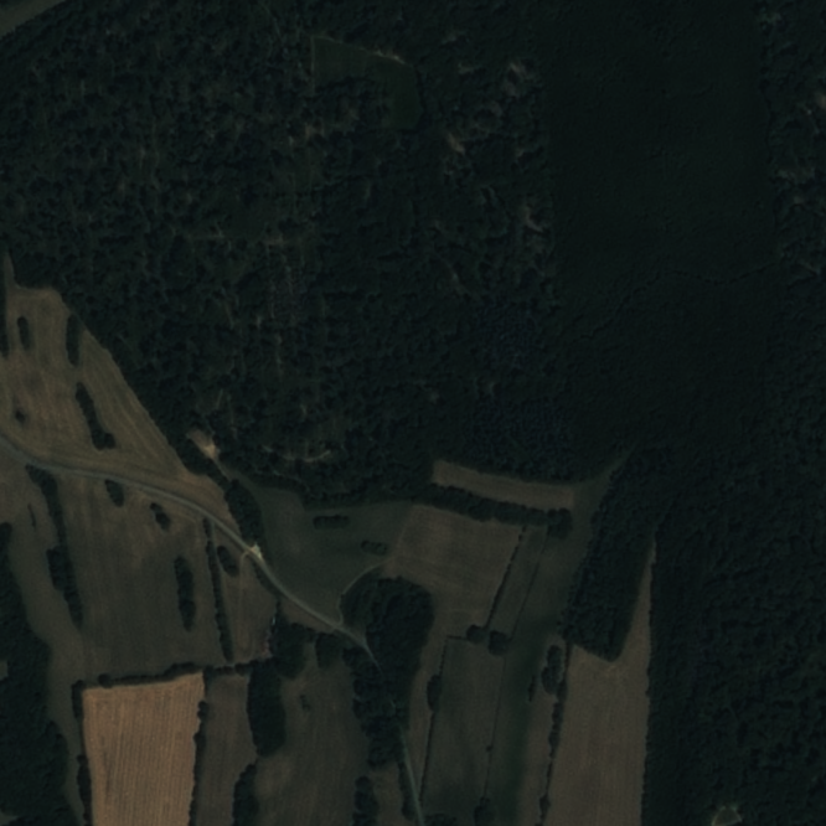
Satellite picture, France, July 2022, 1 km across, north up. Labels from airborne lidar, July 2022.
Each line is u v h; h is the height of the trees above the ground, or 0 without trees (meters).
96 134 18
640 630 0
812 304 21
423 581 0
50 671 0
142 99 19
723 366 16
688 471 17
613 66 7
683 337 20
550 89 9
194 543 0
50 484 13
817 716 24
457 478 0
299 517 0
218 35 26
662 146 8
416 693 0
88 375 0
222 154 9
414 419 22
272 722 18
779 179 8
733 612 23
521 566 0
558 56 9
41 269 17
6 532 11
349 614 6
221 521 0
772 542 20
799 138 28
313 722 0
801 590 25
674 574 15
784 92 23
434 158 24
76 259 19
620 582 21
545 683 9
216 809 0
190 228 23
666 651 9
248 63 16
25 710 23
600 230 11
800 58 26
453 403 16
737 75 7
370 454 21
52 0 0
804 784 23
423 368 21
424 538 0
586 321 15
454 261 28
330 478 20
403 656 20
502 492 0
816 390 17
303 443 20
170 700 0
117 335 19
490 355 24
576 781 0
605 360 22
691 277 14
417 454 19
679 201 7
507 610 0
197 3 11
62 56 20
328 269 7
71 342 9
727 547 23
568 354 16
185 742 0
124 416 0
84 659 0
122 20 22
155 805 0
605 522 17
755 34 8
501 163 23
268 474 19
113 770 0
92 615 0
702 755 16
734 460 14
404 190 22
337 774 0
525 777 0
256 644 0
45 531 0
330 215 22
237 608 0
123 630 0
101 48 23
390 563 0
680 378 25
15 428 0
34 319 0
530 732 0
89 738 0
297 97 25
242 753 0
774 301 13
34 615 0
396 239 24
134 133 19
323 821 0
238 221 0
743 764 16
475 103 22
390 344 15
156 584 0
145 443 0
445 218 21
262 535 7
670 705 12
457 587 0
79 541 0
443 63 23
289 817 0
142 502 0
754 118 10
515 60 24
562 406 19
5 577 15
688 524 22
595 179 10
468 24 24
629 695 0
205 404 0
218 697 0
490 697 0
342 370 23
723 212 7
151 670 0
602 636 19
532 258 8
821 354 24
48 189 24
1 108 17
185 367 23
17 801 20
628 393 24
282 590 0
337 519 11
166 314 22
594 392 20
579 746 0
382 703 20
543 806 11
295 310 23
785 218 13
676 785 12
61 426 0
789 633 23
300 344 18
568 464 21
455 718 0
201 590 0
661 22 10
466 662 0
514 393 25
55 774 25
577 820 0
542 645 0
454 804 0
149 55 9
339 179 15
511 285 25
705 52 7
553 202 8
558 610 0
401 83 0
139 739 0
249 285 23
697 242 13
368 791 21
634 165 10
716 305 19
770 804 21
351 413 19
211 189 26
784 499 20
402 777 9
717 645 25
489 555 0
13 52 11
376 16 22
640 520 19
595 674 0
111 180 12
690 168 6
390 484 20
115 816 0
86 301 8
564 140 10
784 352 23
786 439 16
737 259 13
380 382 20
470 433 28
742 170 9
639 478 20
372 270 22
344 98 25
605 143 10
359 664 25
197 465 20
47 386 0
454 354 20
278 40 8
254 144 27
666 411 21
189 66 21
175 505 0
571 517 15
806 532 27
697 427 24
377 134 25
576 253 10
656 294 17
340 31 22
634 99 10
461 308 23
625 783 0
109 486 11
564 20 9
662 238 11
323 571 0
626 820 0
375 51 15
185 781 0
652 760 8
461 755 0
